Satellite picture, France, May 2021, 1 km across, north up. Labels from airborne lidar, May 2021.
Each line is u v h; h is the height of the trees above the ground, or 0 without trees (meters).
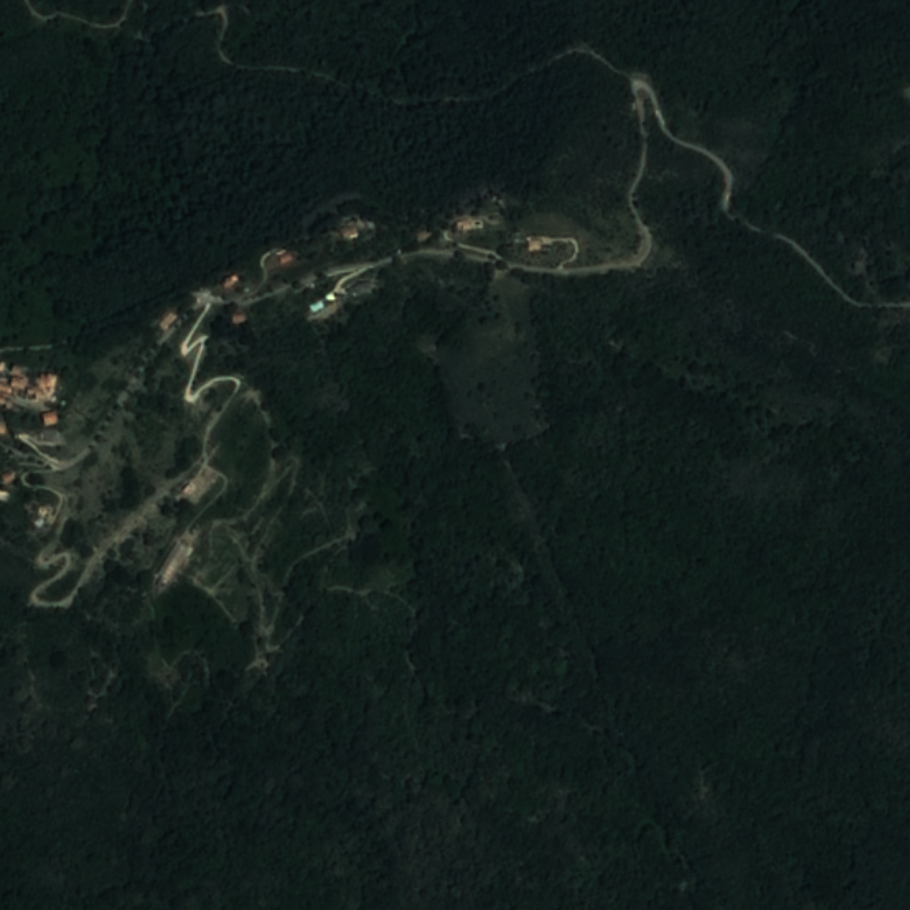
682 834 14
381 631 9
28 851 8
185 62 9
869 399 13
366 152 12
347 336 14
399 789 13
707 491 6
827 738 15
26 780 8
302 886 12
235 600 0
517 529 7
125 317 15
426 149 9
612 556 13
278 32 8
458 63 16
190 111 15
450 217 9
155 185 10
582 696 16
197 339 0
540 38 9
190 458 14
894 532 10
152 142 19
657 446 12
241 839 11
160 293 9
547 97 9
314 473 6
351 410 8
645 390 13
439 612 16
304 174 14
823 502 11
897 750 11
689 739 11
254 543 7
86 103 7
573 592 10
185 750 17
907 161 18
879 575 9
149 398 12
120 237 15
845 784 16
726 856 9
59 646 7
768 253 12
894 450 11
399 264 13
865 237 12
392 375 14
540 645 12
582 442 7
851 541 15
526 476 13
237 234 17
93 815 7
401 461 11
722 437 9
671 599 11
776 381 9
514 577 16
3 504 7
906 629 11
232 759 15
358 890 12
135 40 11
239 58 10
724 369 9
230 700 12
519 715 18
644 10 13
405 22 14
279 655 8
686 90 8
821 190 11
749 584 12
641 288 6
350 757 16
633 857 7
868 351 7
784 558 13
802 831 21
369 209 12
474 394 8
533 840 12
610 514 13
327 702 13
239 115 8
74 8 7
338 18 13
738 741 11
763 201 14
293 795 14
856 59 13
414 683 12
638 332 9
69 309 9
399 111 13
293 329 7
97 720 12
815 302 8
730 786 11
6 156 6
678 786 9
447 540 11
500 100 13
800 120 16
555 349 10
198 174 6
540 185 9
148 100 14
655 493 9
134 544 12
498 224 0
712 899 16
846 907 25
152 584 15
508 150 14
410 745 9
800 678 8
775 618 9
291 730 16
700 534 10
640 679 8
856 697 11
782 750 18
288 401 7
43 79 13
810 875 20
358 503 11
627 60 14
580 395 10
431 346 0
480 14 17
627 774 12
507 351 0
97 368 0
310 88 8
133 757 9
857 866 25
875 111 10
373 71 14
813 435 24
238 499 7
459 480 12
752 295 8
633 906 13
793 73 8
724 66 8
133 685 19
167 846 11
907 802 13
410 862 13
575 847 16
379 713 11
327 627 6
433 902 16
